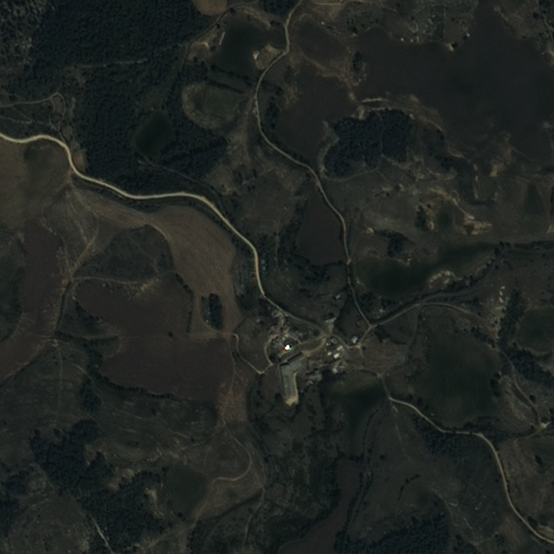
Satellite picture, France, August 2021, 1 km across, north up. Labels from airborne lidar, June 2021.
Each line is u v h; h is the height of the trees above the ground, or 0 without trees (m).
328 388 0
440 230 0
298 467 0
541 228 0
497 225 0
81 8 13
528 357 14
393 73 0
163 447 0
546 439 0
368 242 0
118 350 0
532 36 0
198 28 14
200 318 0
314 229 0
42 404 0
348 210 0
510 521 0
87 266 0
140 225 0
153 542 0
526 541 0
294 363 0
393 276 0
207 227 0
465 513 0
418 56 0
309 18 0
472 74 0
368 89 0
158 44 11
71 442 9
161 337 0
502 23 0
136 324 0
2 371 0
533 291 0
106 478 11
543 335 0
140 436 0
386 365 0
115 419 0
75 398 0
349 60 0
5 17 9
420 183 0
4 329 0
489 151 0
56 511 0
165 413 0
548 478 0
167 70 12
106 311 0
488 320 0
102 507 10
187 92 0
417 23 0
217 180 0
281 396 7
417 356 0
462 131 0
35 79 11
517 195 0
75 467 18
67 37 15
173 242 0
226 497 0
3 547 0
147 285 0
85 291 0
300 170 0
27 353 0
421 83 0
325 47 0
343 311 6
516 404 0
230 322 0
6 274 0
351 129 12
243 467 0
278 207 0
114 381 0
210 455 0
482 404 0
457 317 0
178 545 0
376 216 0
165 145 0
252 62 0
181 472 0
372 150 10
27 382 0
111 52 6
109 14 12
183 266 0
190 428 0
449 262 0
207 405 0
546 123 0
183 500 0
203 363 0
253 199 0
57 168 0
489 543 0
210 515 0
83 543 0
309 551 0
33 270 0
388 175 0
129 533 12
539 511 0
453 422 0
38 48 13
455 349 0
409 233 0
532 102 0
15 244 0
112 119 15
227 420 0
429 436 7
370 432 0
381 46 0
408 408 0
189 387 0
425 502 0
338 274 0
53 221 0
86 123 8
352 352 0
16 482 6
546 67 0
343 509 0
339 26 0
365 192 0
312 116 0
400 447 0
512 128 0
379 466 0
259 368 0
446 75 0
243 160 0
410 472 0
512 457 0
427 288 0
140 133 0
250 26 0
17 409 0
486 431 7
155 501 0
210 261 0
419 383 0
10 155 0
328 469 7
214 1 0
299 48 0
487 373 0
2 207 0
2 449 0
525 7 0
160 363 0
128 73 9
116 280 0
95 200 0
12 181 0
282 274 0
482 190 0
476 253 0
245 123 0
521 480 0
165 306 0
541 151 0
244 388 0
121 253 0
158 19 10
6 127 0
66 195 0
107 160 13
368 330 0
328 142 0
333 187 0
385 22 0
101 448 0
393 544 10
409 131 11
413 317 0
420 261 0
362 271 0
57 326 0
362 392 0
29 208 0
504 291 0
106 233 0
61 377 0
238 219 0
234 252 0
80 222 0
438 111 0
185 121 16
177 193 0
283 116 0
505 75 0
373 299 9
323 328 0
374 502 0
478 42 0
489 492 0
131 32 8
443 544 11
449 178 0
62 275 0
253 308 0
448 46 0
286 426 0
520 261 0
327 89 0
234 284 0
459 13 0
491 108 0
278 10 10
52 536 0
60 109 0
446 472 0
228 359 0
